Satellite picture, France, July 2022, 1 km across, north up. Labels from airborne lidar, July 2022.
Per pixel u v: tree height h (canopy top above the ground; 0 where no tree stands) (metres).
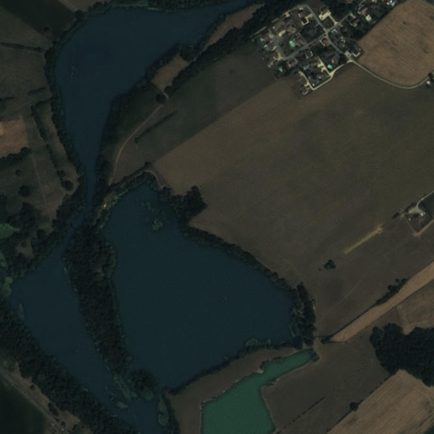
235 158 0
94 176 0
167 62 16
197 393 0
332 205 0
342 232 0
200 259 0
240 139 0
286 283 8
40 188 0
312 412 0
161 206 0
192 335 0
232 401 0
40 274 0
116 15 0
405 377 0
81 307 8
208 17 0
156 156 0
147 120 0
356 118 0
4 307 22
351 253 0
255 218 0
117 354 7
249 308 0
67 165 0
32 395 0
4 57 0
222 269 0
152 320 0
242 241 0
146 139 0
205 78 0
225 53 11
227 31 0
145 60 0
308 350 0
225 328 0
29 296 0
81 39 0
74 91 0
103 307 7
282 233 0
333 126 0
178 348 0
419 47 0
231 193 0
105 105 0
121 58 0
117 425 14
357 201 0
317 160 0
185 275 0
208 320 0
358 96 0
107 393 0
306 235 0
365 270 0
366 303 0
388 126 0
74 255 14
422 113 0
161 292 0
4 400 0
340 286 0
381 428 0
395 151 0
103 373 0
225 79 0
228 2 0
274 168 0
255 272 0
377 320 0
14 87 0
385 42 0
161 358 0
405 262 0
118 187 14
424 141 0
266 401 0
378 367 0
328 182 0
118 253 0
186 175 0
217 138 0
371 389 0
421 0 0
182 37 0
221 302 0
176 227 0
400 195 0
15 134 0
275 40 0
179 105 0
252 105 0
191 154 0
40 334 0
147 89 14
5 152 0
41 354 15
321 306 0
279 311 0
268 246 0
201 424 0
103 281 8
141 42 0
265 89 0
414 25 0
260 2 21
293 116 0
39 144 0
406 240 0
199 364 0
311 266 0
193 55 21
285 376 0
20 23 0
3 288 0
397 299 0
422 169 0
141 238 0
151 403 0
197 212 17
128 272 0
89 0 0
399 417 0
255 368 0
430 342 23
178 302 0
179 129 0
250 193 0
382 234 0
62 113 12
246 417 0
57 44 17
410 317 0
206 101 0
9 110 0
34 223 9
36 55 0
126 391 0
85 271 7
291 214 0
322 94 0
